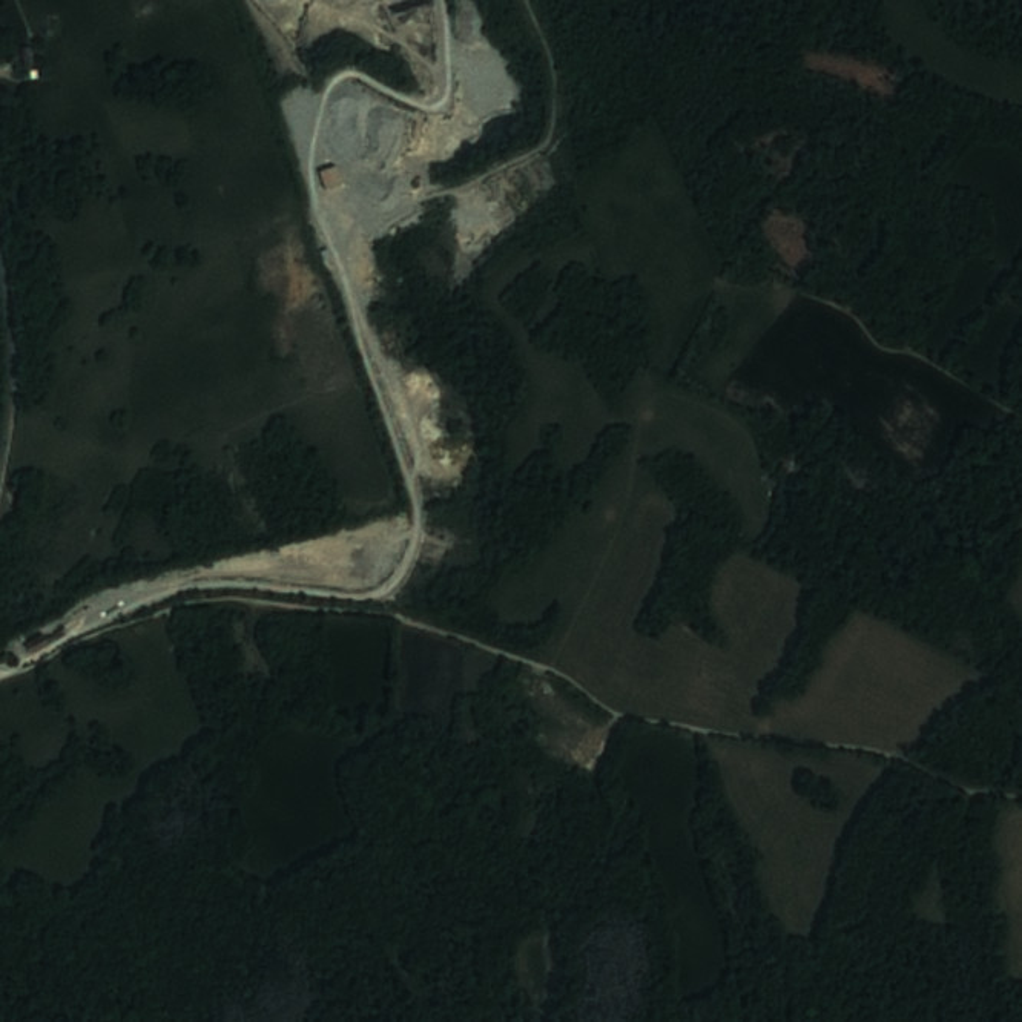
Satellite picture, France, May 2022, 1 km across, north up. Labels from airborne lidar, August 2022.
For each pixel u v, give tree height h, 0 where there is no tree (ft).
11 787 40
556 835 28
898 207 70
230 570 0
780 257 53
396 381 0
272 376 0
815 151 65
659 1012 66
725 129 48
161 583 0
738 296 0
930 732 55
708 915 0
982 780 34
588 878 42
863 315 58
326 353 0
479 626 35
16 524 48
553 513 50
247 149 0
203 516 66
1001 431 55
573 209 25
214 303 0
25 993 37
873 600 58
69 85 0
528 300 27
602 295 26
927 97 63
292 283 0
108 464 0
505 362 41
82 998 70
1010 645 40
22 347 42
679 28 39
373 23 0
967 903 56
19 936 39
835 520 41
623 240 0
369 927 67
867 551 74
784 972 66
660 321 0
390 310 19
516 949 63
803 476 45
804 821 0
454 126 0
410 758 81
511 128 46
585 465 23
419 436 0
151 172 29
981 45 48
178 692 0
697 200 45
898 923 36
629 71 40
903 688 0
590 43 31
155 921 66
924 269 49
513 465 19
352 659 0
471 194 0
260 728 49
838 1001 63
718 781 66
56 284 47
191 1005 60
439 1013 70
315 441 0
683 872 0
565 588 0
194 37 0
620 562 0
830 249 62
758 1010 67
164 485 19
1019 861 0
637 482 0
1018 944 0
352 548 0
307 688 51
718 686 0
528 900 69
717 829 67
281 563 0
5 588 45
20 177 47
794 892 0
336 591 0
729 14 38
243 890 77
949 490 48
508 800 46
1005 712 51
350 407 0
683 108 27
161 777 62
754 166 54
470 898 64
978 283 0
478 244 0
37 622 37
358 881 69
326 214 0
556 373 0
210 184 0
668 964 55
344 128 0
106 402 0
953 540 68
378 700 0
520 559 29
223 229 0
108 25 0
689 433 0
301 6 0
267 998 64
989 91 0
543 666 0
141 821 53
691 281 0
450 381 20
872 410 0
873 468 62
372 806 70
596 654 0
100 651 61
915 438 0
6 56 49
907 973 73
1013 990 72
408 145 0
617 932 0
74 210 40
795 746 62
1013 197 0
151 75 57
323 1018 65
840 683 0
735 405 27
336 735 41
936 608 59
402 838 60
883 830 59
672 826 0
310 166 0
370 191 0
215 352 0
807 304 0
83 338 0
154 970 67
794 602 0
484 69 0
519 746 33
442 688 0
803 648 63
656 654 0
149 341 0
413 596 23
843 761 0
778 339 0
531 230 29
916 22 0
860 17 51
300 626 41
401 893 67
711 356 0
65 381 0
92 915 56
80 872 0
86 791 0
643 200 0
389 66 44
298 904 65
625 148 65
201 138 0
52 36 0
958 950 39
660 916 52
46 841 0
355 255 0
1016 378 52
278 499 19
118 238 0
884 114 38
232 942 57
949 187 32
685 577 68
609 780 60
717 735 24
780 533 48
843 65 0
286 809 0
